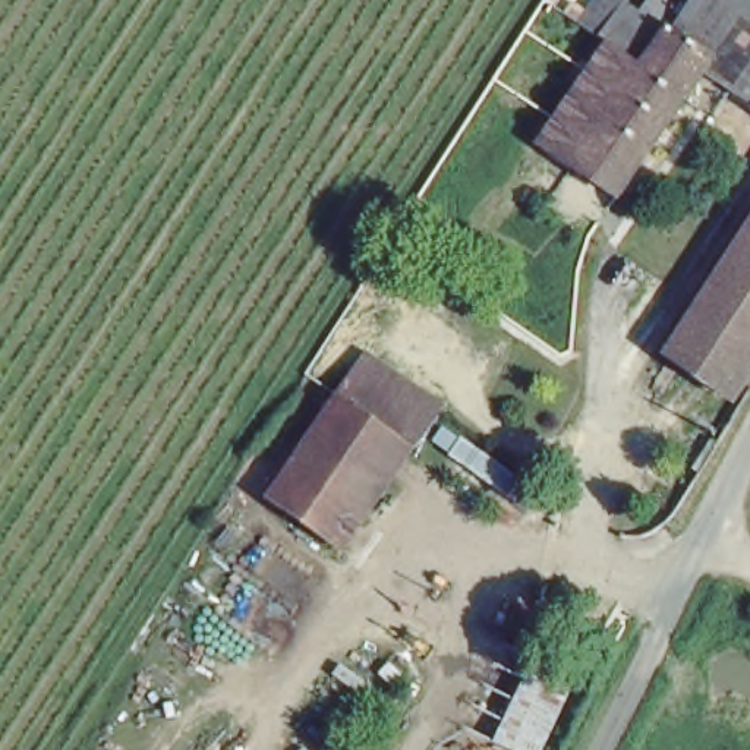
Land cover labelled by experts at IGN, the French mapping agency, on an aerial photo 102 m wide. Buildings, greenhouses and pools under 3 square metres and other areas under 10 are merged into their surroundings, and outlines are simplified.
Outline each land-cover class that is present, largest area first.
<instances>
[{"label":"vineyard","instance_id":"1","mask_svg":"<svg viewBox=\"0 0 750 750\"><path fill-rule=\"evenodd\" d=\"M527 0H0V750H76L85 732L100 721L117 683L129 674V645L141 630L144 618L155 609L158 601H164V592L176 574H188L190 551L196 545H205L208 536L217 530L214 513L223 507L229 492L240 483V478L258 457L246 451L249 442L267 428V422L278 413V407L287 398L299 393L302 398L311 384L305 378V369H299V363L311 352L319 331L328 325L346 290H357L360 284L352 267L354 223L369 202H375L387 214L396 202V196L407 190L416 179L419 167L454 120L457 108L480 79L486 62L492 59L495 47L501 44V38L507 35V29L513 26Z\"/></svg>","mask_w":750,"mask_h":750},{"label":"pervious surface","instance_id":"2","mask_svg":"<svg viewBox=\"0 0 750 750\"><path fill-rule=\"evenodd\" d=\"M683 120H671V126L656 141V155L645 158V170L633 176L621 196L609 190L595 193L589 185L565 179L560 170H554L551 185L545 188L554 196L560 214L568 226L589 217L595 226L604 229L615 252L633 223L627 217L636 208L639 185H645L653 173H671L686 144L697 146L700 126L706 123L729 135L735 152L747 158V176L732 188L729 199L709 211L703 223L665 281L636 270L621 255H612L601 267V278L592 284L586 322V407L577 428L571 431L551 428L539 439L524 428L498 425L486 398V357L475 352L472 340H466L431 308L410 305L407 299L375 290L372 284H360L357 290L349 308L343 311L340 322L305 369V378L311 384L302 398L296 416L281 428L278 439L258 457L240 478V483L229 492L223 507L214 513L217 530L208 536L205 545L196 563L202 568V577L190 583V592L199 595V604H214L217 618L226 621L237 636L252 642L255 650L252 659L226 665L220 674L223 683L217 688L196 697L190 706L176 709V718L167 721L173 724L176 738L185 741L190 732L202 727V721H208L217 712H229L249 735L246 744L234 750H284L290 732V712L311 700V688L322 671V662L334 659L346 647L363 645L375 653H398L407 662V680L410 703L398 721V727L407 735L396 750H504L501 744H495L498 724L486 718V706L504 715L510 703L492 694V686L516 694L519 686L521 636L524 630H533L539 624V615L557 595H574V589H595L598 606L586 609V618H606L612 615V609L627 618H639L645 630L650 621L653 592L674 577L671 565L680 554L683 536H668L662 527H653L639 536H609V513H624L630 504V489L647 492L656 475L650 469L653 448L665 442L662 434H671L680 425V419L647 404V387L639 375L653 349H665L674 328L691 308L694 296L712 275L715 264L732 243L738 226L750 229V97H738L727 91V85L709 88L706 82H694V91L688 94L686 105L677 108ZM360 352L387 357L396 366V372L407 375L431 396L448 398L454 410L478 431H492L498 437V445L519 451L530 463L533 451H539L542 445L571 448L577 475L589 480V495L565 513H539L524 510L521 504L504 501L498 504V521L492 524L469 516L457 510L454 498L422 466L413 463L401 466L398 472V498L372 516L369 527L354 530L352 554L343 563H337L340 557L331 539L308 527L296 513L270 504V498L264 495L278 478L287 457L293 454V448L299 445V439L305 437V431L325 407V401L352 372ZM709 574L741 580L750 577V510H741L738 504L729 507L718 542L706 557ZM580 700L577 691H568L565 697V706L542 750H560V741L571 727Z\"/></svg>","mask_w":750,"mask_h":750},{"label":"herbaceous vegetation","instance_id":"3","mask_svg":"<svg viewBox=\"0 0 750 750\"><path fill-rule=\"evenodd\" d=\"M601 47V35L580 29V21L568 18L565 0H527L513 26L507 29V35L501 38V44L495 47L492 59L486 62L480 79L457 108L454 120L419 167L416 179L407 190L396 196V202L413 208V202L422 199V205L437 208L439 217L454 214V226L472 234L475 240L489 234L498 249L524 258L527 293L516 299V308L507 316H513L560 352L568 346L571 337L574 360L557 366L521 340H516L513 334H507L498 322L483 325L472 311L466 316H457L445 305L431 308L466 340H472L475 352L486 357V398L498 425L524 428L539 439L551 428L571 431L577 428L586 407V322L592 284L601 278V267L612 255H621L636 270L665 281L703 223L688 214L668 229L633 223L615 252L604 229L595 226L589 217L568 226L560 214L548 223H536L530 217L533 190L545 188L551 185L554 170L527 144L539 138L551 114L557 111L560 100L571 91L595 50ZM583 237L589 240V258L577 290V311L583 316L571 322V284ZM697 146L686 144L671 173L683 190L691 188V182L697 179ZM357 290H346L328 325L319 331L311 352L299 363V369H305L340 322L343 311L349 308ZM639 375L647 387V404L680 419V425L671 434L677 442L691 445L686 469L674 483L665 475H656L647 492L659 501V510L647 524H636L624 513H609V536H639L653 527H662L668 536H683L691 519L697 516V507L709 492L715 475L721 472L727 454L738 448L744 439L750 442V384L732 401H718L712 390H703L700 378L691 369H683L680 360L665 354V349H653ZM442 425L457 437L469 439L472 445H478L480 451H486L489 460H495L504 469H513L521 478L533 469L530 463L519 451L498 445V437L492 431H478L454 410L442 413ZM422 466L439 483L448 469L454 475H469L478 486L454 498L457 510L469 516L475 513V504L483 495L492 492L489 483L475 478L463 463L451 460V454L442 445H425V451L413 457V463ZM205 545H196L190 551L188 574H176L164 592V601H158L155 609L144 618L141 630L129 645V674L117 683L100 721L85 732L76 750H234L246 744L249 735L229 712H217L208 721H202V727L190 732L185 741L176 738L173 724L167 721L176 718V709L190 706L196 697L217 688L223 683L220 674L226 665L252 659L255 650L252 642L237 636L226 621L217 618L214 604H199V595L190 592V583L202 577V568L196 563ZM750 650V577L741 580L709 574L697 580L671 633L668 650L650 674L645 703L639 706L636 721L618 750H750V697L715 688L712 665L724 653ZM645 630L639 618H627L624 639H615V624H606L598 633V639L601 647H609V659H592L586 671L592 688L580 700L571 727L560 741V750H589L618 691L627 662L639 650ZM343 665L363 677L360 686L363 691L375 688L390 694L396 688L393 677H381L384 665H396V677L407 680V662L398 653H375L363 645L346 647L334 659L322 662V671L311 688V700L290 712V732L284 750H325L328 721L343 706L334 688H340L343 683L334 674V668Z\"/></svg>","mask_w":750,"mask_h":750},{"label":"building","instance_id":"4","mask_svg":"<svg viewBox=\"0 0 750 750\"><path fill-rule=\"evenodd\" d=\"M568 18L580 21V29L601 35V47L595 50L571 91L560 100L557 111L551 114L539 138L527 144L554 170H560L565 179L589 185L595 193L609 190L621 196L633 176L645 170V158L656 155V141L671 126V120H683L677 108L686 105L688 94L694 91V82H706L709 88L727 85V91L738 97H750V0H565ZM665 354L680 360L683 369H691L700 378L703 390H712L718 401H732L750 384V229L738 226L732 243L715 264L712 275L694 296L691 308L674 328L665 349ZM589 258V240L583 237L571 284V322L583 316L577 311V290ZM498 322L507 334H513L516 340H521L557 366L574 360L571 337L568 346L560 352L513 316H501ZM454 410L448 398L431 396L407 375L396 372V366L387 357L360 352L352 372L325 401V407L305 431V437L299 439V445L293 448V454L287 457L278 478L264 495L270 498V504L296 513L308 527L331 539L340 557L337 563H343L352 554L354 530L369 527L372 516L398 498V472L401 466L413 463V457L425 451V445H442L451 454V460L463 463L475 478L489 483L492 492L504 501L521 504V478L513 469H504L495 460H489L486 451H480L478 445H472L469 439L457 437L442 425V413ZM606 624H615V639H624L627 618L612 609V615L606 618ZM334 674L343 683L360 686L363 677L343 665L334 668ZM381 677H396V665H384ZM492 694L510 703L504 715L486 706V718L498 724L495 744H501L504 750H542L565 706V697L542 694V683L519 686L516 694L492 686Z\"/></svg>","mask_w":750,"mask_h":750},{"label":"deciduous trees","instance_id":"5","mask_svg":"<svg viewBox=\"0 0 750 750\"><path fill-rule=\"evenodd\" d=\"M697 179L691 182V188L683 190L671 173H653L645 185H639L636 208L627 217L633 223L668 229L688 214L703 223L709 211L729 199L732 188L747 176V158L735 152L729 135L706 123L700 126L697 146ZM560 214L554 196L545 188L533 190L530 217L536 223H548ZM352 267L360 284H372L375 290L407 299L410 305L431 308L445 305L457 316H466L472 311L483 325L498 322L501 316H507L516 308V299L527 293L524 258L498 249L489 234L475 240L472 234L454 226V214L439 217L437 208L422 205V199L413 202V208L396 202L387 214L375 202H369L354 223ZM665 442L653 448L650 469L656 475H665L674 483L686 469L691 445L677 442L671 434H662ZM533 469L521 478V504L524 510L539 513H565L589 495V480L577 475L571 448L542 445L539 451H533L530 463ZM454 498L478 486L469 475H454L448 469L439 483ZM659 510V501L647 492L630 489V504L624 513L636 524H647ZM504 501L492 492L483 495L475 504V513L469 516L492 524L498 521V504ZM598 606L595 589H574V595H557L539 615V624L533 630H524L521 636L519 686L542 683V694L565 697L568 691H577L580 700L592 688L586 671L592 659H609V647H601L598 639V633L606 624V618H586V609ZM396 688L390 694L375 688L363 691L360 686L343 683L340 688H334L343 706L328 721L325 750H396L407 735L398 727V721L410 703L407 680L396 677H393Z\"/></svg>","mask_w":750,"mask_h":750},{"label":"impervious surface","instance_id":"6","mask_svg":"<svg viewBox=\"0 0 750 750\"><path fill-rule=\"evenodd\" d=\"M738 504L741 510H750V442L744 439L738 448L727 454L721 472L715 475L709 492L697 507V516L691 519L683 536L680 554L671 565L674 577L653 592L650 621L645 630L639 650L627 662L618 691L589 750H618L636 721L639 706L645 703L650 674L668 650L671 633L697 580L709 574L706 557L718 542L729 507Z\"/></svg>","mask_w":750,"mask_h":750},{"label":"water","instance_id":"7","mask_svg":"<svg viewBox=\"0 0 750 750\"><path fill-rule=\"evenodd\" d=\"M715 688L750 697V650L724 653L712 665Z\"/></svg>","mask_w":750,"mask_h":750},{"label":"brushwood","instance_id":"8","mask_svg":"<svg viewBox=\"0 0 750 750\"><path fill-rule=\"evenodd\" d=\"M302 398L299 393L287 398L278 407V413L267 422V428L249 442L246 451L258 457L278 439L281 428L296 416Z\"/></svg>","mask_w":750,"mask_h":750}]
</instances>
